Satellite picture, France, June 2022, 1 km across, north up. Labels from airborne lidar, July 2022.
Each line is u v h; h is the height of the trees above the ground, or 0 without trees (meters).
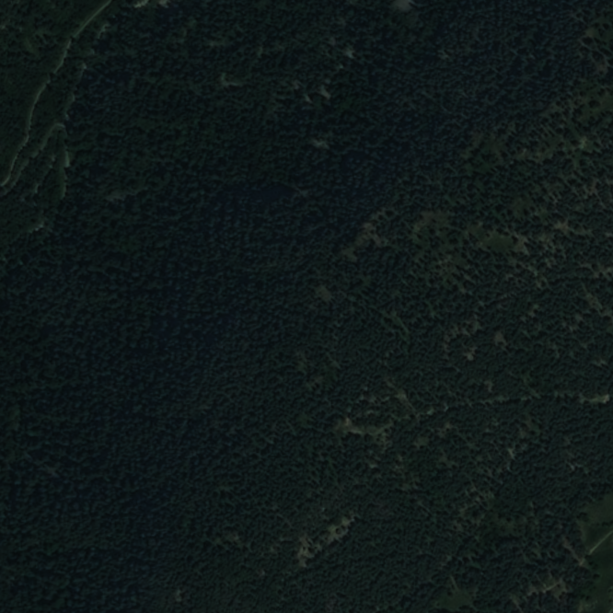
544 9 7
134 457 23
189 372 23
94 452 23
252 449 19
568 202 18
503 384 20
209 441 19
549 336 20
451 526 19
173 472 17
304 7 9
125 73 6
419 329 25
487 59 20
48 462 25
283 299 24
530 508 19
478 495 22
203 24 9
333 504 11
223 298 14
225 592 16
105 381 25
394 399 11
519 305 22
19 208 19
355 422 17
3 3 23
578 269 21
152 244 12
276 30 9
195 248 15
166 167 7
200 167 15
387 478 28
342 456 21
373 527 25
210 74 13
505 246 0
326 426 10
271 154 16
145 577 13
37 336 20
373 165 24
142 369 26
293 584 15
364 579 20
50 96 7
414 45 9
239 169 9
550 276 21
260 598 22
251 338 22
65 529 20
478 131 19
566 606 29
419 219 23
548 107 11
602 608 0
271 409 23
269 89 7
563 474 19
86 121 9
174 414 16
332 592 25
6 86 7
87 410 31
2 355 11
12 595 16
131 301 16
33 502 26
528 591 22
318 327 16
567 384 20
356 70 12
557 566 26
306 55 25
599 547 0
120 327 9
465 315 22
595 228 20
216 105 8
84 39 20
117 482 35
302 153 7
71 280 31
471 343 20
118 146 20
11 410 11
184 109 15
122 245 18
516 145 20
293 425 19
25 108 21
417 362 23
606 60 23
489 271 24
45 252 7
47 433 19
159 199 13
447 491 22
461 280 29
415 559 26
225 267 14
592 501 23
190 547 23
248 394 19
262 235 16
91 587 26
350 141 11
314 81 8
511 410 22
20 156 12
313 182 31
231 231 25
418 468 14
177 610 22
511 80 24
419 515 21
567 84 16
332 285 23
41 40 9
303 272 21
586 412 19
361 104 20
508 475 25
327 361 11
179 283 28
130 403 9
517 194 22
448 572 20
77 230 11
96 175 13
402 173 12
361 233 21
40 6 27
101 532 18
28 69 16
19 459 7
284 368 7
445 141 22
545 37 10
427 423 21
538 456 26
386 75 11
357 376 21
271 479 16
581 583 25
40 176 12
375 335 17
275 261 18
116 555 17
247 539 20
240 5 19
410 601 31
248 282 13
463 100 10
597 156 20
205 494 22
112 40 10
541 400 12
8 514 15
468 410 22
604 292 21
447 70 16
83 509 22
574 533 25
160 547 12
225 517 18
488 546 13
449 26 12
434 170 26
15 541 8
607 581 0
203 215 20
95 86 25
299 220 29
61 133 10
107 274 7
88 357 7
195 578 22
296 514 15
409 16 6
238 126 15
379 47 9
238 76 12
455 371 24
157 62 19
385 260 25
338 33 19
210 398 21
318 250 17
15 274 27
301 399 19
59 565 15
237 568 23
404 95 20
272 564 22
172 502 18
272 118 6
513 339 26
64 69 11
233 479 16
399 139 12
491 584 28
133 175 16
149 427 16
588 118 0
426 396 25
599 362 18
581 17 12
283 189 12
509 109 29
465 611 13
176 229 18
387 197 20
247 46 13
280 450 23
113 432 17
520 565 31
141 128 6
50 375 19
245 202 19
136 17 8
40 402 15
